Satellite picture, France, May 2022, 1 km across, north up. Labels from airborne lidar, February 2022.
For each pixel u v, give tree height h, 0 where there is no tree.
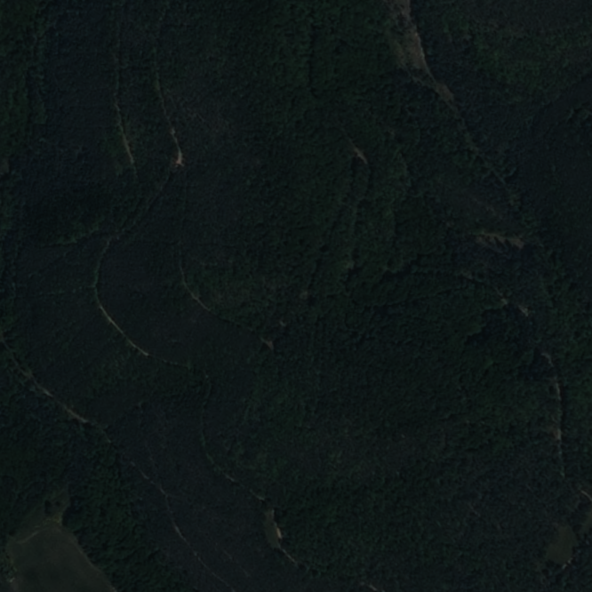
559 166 18
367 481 23
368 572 19
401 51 0
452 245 32
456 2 17
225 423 16
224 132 15
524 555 25
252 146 21
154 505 21
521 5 17
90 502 24
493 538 26
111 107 16
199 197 18
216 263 16
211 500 23
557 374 28
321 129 24
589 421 25
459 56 22
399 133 22
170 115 16
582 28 20
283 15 27
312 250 24
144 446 21
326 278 30
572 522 12
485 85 22
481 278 23
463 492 18
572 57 23
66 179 15
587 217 19
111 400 21
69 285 15
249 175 15
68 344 19
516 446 24
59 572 0
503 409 26
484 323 28
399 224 26
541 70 23
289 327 20
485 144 23
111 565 25
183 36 19
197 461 19
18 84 23
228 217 21
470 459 27
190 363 12
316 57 31
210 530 21
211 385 16
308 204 26
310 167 23
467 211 24
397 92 28
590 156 17
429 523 23
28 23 16
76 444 23
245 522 22
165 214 19
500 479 25
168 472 19
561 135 20
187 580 23
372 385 25
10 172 10
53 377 20
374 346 29
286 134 25
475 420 27
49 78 22
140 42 20
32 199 26
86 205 18
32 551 0
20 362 21
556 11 16
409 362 25
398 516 23
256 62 22
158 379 18
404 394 24
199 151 18
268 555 23
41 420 23
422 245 26
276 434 15
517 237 36
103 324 14
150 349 14
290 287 23
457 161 28
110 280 15
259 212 22
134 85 19
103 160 15
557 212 19
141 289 16
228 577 19
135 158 15
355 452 20
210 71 18
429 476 24
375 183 23
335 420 19
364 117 24
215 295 10
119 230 17
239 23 22
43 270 18
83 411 21
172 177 19
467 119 26
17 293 21
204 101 19
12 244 22
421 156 26
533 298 26
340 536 24
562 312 28
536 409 27
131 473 23
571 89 22
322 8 26
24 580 0
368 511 22
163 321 14
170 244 16
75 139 17
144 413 21
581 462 31
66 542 0
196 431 19
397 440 20
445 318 24
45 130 22
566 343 29
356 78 30
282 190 23
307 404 21
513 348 28
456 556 24
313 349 23
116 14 18
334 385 25
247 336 16
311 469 17
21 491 23
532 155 19
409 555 22
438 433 22
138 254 18
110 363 16
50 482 21
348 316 27
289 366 22
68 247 16
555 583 24
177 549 24
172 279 16
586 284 18
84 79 20
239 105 21
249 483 19
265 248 25
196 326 15
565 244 19
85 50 17
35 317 19
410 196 23
